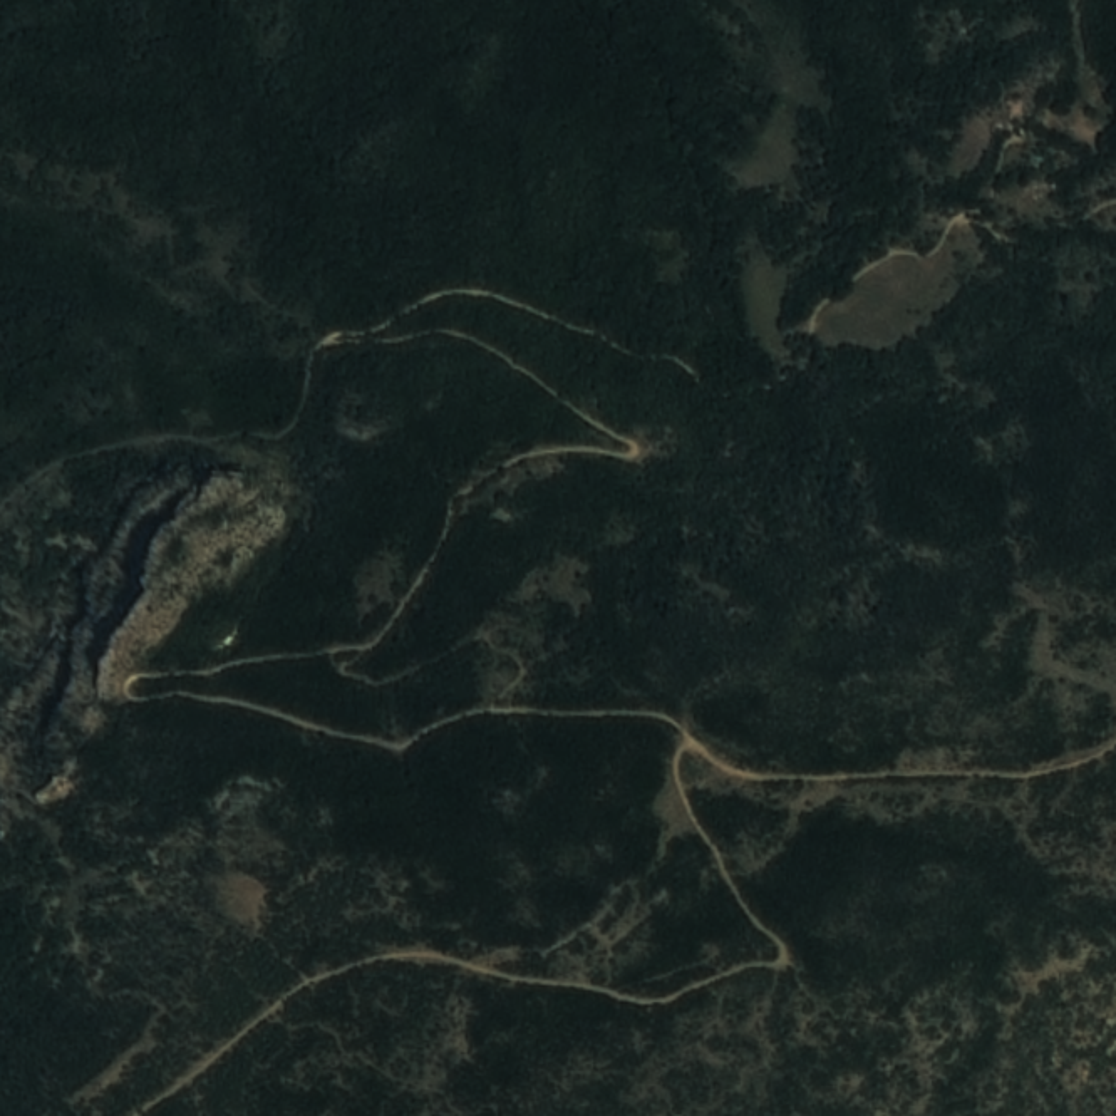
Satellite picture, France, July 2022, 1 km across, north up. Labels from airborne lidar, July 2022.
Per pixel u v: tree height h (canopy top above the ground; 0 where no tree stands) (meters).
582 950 6
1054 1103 6
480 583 5
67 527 7
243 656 6
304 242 7
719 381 10
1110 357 7
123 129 8
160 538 20
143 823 7
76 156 9
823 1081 5
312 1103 5
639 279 10
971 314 6
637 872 7
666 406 9
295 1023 5
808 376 6
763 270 0
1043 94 8
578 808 6
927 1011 6
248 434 10
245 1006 6
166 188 7
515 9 7
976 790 6
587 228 6
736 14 6
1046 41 8
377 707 6
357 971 7
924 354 6
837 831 9
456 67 6
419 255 6
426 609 6
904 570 6
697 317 7
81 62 6
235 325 6
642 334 10
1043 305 8
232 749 6
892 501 6
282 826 6
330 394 6
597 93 10
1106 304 9
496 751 7
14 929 6
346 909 6
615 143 11
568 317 10
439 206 6
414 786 7
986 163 9
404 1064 6
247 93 7
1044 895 7
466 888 5
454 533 6
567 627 9
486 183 8
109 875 5
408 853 6
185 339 10
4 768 0
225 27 6
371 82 8
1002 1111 6
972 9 9
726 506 7
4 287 7
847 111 9
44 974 5
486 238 7
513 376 8
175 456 7
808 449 7
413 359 7
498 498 9
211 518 5
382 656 6
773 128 0
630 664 5
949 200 8
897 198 9
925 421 7
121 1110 7
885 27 7
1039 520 6
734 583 7
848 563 6
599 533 7
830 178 10
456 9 9
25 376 6
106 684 0
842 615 7
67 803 7
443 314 7
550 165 6
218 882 0
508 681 0
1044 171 8
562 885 5
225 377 6
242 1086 7
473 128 6
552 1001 5
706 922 6
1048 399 6
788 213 8
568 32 9
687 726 0
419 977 6
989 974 5
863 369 8
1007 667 6
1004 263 7
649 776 6
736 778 0
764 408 7
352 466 7
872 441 7
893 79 7
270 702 6
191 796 5
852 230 10
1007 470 6
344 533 5
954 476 5
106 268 8
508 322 6
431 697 6
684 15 8
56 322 7
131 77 7
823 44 9
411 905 5
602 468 7
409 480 5
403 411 6
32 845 8
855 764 6
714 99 7
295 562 7
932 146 9
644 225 9
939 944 6
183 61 7
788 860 7
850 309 0
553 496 6
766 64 0
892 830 6
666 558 8
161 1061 6
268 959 8
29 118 6
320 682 7
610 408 10
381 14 9
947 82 9
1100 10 10
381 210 6
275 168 6
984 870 7
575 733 6
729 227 9
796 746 6
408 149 8
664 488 7
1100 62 13
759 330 0
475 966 0
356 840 7
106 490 6
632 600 6
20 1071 6
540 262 7
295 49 6
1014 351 6
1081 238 6
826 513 12
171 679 6
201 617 7
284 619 7
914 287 0
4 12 7
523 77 9
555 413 7
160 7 9
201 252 5
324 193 8
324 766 6
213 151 8
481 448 7
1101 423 6
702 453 9
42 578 6
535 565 7
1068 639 6
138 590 7
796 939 6
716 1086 7
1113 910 6
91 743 6
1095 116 8
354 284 6
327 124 7
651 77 15
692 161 8
